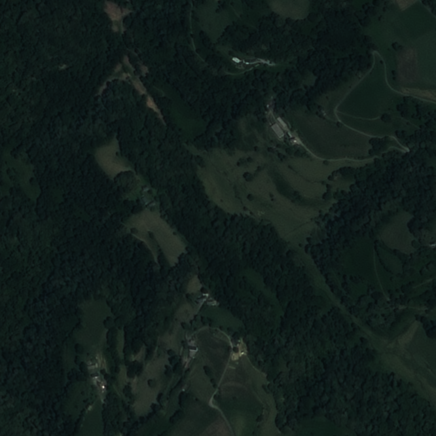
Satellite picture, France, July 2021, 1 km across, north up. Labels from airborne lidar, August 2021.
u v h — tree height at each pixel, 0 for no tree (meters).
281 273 35
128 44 15
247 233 25
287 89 18
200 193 20
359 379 25
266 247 21
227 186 0
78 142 26
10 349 23
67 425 9
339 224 21
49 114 24
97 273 27
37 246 20
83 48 29
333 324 21
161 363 0
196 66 18
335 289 27
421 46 0
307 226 0
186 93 29
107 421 19
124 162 0
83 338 0
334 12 21
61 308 22
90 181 22
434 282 8
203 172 0
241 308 25
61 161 24
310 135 0
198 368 0
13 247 17
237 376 0
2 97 32
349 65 24
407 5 0
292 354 24
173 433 0
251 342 21
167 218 14
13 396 26
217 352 0
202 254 8
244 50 16
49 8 29
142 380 0
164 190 13
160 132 25
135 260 22
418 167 18
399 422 24
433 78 0
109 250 15
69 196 11
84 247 24
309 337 24
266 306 11
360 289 0
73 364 0
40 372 24
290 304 11
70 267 20
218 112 23
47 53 23
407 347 0
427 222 13
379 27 0
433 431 28
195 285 0
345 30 15
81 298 28
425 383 0
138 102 21
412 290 11
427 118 21
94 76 21
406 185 25
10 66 22
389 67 0
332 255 9
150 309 32
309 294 25
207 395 0
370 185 32
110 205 10
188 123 0
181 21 9
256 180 0
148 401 0
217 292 9
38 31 25
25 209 21
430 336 14
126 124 23
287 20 10
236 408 0
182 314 0
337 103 0
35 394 30
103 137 20
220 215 27
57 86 19
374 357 15
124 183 19
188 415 0
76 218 13
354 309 22
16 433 18
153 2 22
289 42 31
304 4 0
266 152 0
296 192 9
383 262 13
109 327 15
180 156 23
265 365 18
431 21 0
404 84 0
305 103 17
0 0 31
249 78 22
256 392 0
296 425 22
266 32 20
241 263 30
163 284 26
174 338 0
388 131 0
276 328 14
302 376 20
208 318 7
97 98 11
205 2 13
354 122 0
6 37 12
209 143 15
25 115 22
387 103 0
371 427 17
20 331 29
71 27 25
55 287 22
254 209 0
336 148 0
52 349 22
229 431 0
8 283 25
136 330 29
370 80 0
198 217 36
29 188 0
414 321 0
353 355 11
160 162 28
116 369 13
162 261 13
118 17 0
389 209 22
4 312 14
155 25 25
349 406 15
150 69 9
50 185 20
